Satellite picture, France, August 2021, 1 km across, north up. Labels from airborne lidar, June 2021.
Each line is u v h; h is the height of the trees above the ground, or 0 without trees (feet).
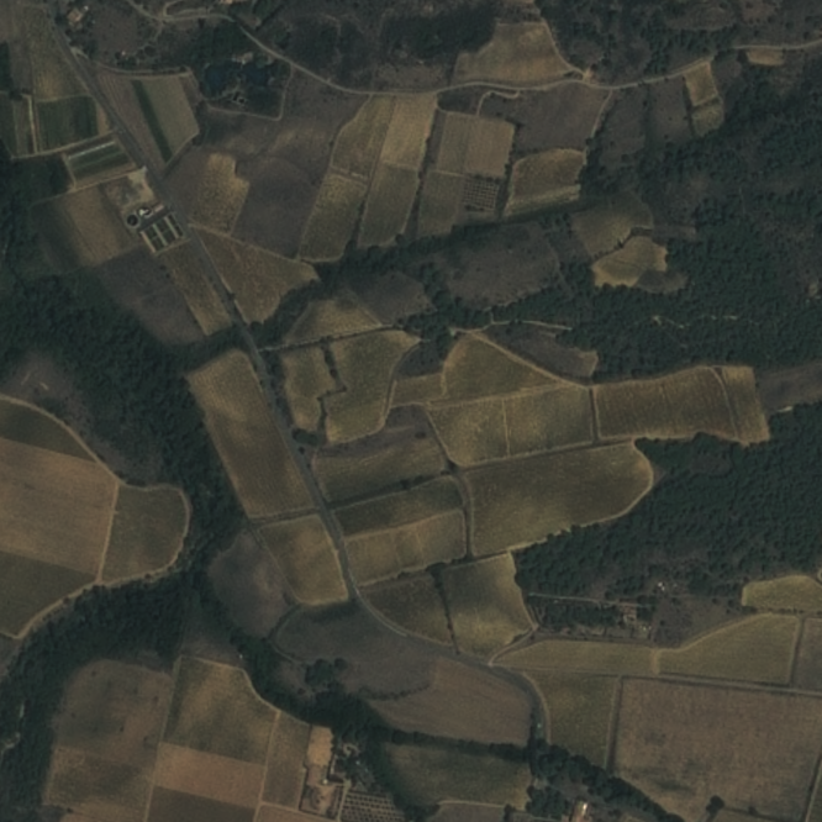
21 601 0
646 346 27
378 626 0
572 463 0
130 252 0
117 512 0
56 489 0
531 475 0
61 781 0
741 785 0
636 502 0
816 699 0
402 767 0
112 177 0
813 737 0
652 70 37
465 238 24
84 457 0
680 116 0
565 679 0
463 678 0
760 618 0
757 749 0
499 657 0
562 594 23
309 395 0
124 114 0
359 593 0
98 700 0
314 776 0
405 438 0
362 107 0
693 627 0
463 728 0
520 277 0
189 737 0
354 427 0
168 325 0
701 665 0
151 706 0
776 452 22
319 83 0
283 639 0
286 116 0
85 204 0
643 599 30
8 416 0
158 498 0
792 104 21
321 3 0
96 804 0
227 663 0
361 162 0
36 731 27
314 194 0
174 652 24
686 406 0
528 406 0
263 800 0
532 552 31
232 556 0
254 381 0
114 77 0
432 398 0
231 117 0
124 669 0
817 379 0
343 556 0
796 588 0
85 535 0
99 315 18
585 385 0
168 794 0
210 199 0
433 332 36
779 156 25
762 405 0
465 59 0
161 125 0
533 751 29
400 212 0
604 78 0
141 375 50
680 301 33
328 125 0
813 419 39
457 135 0
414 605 0
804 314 27
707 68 0
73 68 0
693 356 24
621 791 69
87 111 0
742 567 31
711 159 31
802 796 0
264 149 0
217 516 66
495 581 0
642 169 29
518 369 0
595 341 30
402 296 0
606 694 0
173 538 0
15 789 21
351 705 45
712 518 33
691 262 38
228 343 20
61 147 0
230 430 0
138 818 0
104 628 31
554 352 0
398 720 0
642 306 34
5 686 30
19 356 31
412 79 0
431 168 0
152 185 0
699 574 28
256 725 0
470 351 0
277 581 0
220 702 0
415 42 26
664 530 28
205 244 0
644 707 0
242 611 0
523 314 26
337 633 0
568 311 27
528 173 0
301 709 25
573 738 0
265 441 0
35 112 0
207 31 32
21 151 0
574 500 0
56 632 59
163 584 27
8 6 0
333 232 0
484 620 0
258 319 0
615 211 0
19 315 26
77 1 22
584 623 36
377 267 40
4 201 87
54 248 0
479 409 0
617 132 0
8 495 0
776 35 0
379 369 0
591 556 25
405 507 0
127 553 0
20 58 0
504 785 0
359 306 0
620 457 0
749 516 31
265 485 0
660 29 37
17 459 0
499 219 0
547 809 51
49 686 30
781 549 38
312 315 0
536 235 0
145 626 42
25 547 0
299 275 0
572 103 0
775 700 0
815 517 29
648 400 0
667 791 0
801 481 20
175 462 56
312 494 0
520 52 0
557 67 0
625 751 0
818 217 31
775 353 30
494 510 0
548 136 0
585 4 22
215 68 0
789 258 27
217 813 0
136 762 0
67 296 27
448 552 0
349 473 0
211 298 0
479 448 0
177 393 55
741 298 23
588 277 29
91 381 28
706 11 0
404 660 0
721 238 33
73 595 0
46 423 0
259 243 0
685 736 0
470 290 0
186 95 0
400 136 0
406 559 0
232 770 0
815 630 0
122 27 0
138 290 0
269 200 0
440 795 0
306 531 0
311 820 0
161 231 0
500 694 0
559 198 0
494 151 0
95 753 0
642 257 0
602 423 0
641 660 0
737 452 34
